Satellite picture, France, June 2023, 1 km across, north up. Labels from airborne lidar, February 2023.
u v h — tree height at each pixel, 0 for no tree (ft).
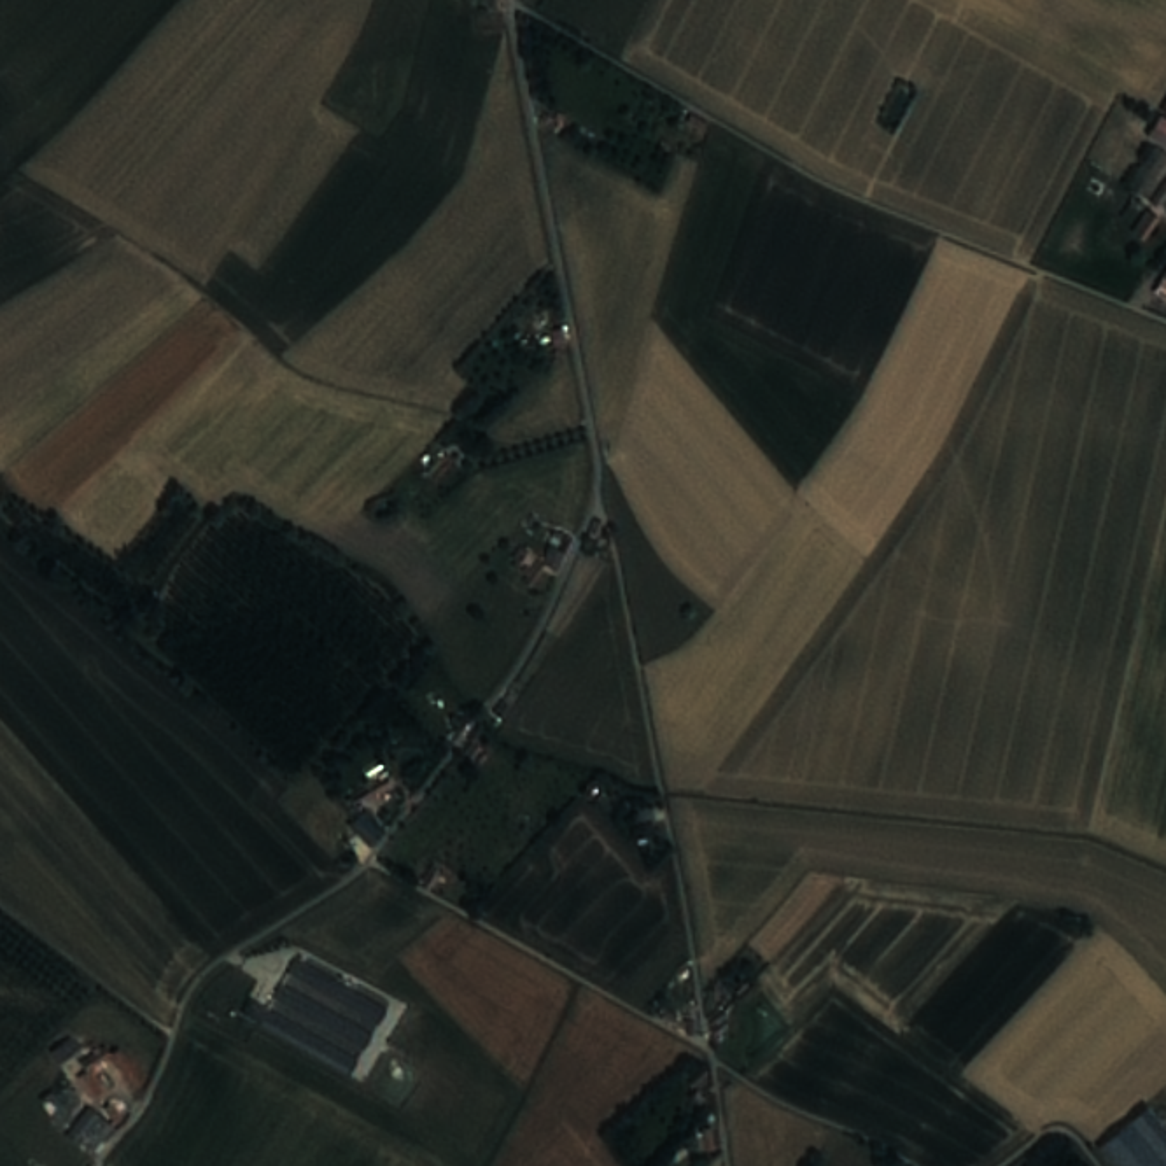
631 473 0
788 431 0
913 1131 0
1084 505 0
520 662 0
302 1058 0
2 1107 0
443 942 0
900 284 0
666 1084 23
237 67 0
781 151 0
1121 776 0
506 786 0
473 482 0
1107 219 0
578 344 0
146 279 0
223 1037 0
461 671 0
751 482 0
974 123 0
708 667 0
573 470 0
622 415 0
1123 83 0
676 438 0
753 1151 0
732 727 0
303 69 0
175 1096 0
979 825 0
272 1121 0
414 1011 0
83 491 0
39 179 0
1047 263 0
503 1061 0
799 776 0
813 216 0
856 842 0
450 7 0
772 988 0
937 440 0
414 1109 0
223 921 0
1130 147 0
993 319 0
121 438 0
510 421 0
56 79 0
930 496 0
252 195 0
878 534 0
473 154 0
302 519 0
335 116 0
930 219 0
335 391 0
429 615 0
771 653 0
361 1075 0
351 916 0
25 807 0
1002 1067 0
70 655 0
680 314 0
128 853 0
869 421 0
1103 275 0
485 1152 0
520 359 38
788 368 0
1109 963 0
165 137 0
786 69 0
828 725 0
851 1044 0
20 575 0
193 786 0
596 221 0
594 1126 0
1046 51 0
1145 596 0
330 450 0
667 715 0
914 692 0
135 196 0
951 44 0
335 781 37
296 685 26
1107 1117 0
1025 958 0
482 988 0
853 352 0
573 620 0
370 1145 0
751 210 0
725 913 0
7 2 0
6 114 0
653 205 0
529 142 0
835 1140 0
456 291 0
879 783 0
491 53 0
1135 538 0
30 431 0
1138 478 0
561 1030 0
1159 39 0
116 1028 0
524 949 0
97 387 0
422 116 0
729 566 0
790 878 0
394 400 0
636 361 0
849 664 0
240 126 0
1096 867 0
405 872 39
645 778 0
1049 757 0
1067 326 0
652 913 0
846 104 0
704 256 0
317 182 0
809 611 0
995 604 0
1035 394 0
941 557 0
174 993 0
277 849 0
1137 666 0
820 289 0
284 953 0
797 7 0
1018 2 0
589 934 0
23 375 0
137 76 0
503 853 0
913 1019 0
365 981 0
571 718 0
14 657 0
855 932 0
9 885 0
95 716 0
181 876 0
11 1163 0
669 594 0
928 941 0
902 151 0
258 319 0
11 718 0
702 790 0
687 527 0
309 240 0
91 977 0
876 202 0
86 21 0
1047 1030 0
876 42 0
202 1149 0
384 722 52
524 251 0
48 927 0
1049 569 0
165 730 0
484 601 0
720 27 0
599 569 0
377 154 0
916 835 0
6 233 0
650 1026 0
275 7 0
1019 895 0
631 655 0
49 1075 0
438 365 0
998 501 0
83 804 0
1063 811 0
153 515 0
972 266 0
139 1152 0
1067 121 0
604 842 0
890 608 0
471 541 0
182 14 0
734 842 0
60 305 0
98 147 0
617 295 0
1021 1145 0
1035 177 0
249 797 0
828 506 0
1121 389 0
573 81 0
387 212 0
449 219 0
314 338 0
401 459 0
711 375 0
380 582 0
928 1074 0
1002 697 0
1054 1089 0
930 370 0
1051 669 0
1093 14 0
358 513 0
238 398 0
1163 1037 0
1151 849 0
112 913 0
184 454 0
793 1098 0
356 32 0
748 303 0
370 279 0
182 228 0
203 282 0
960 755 0
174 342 0
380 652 25
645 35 0
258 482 0
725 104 0
